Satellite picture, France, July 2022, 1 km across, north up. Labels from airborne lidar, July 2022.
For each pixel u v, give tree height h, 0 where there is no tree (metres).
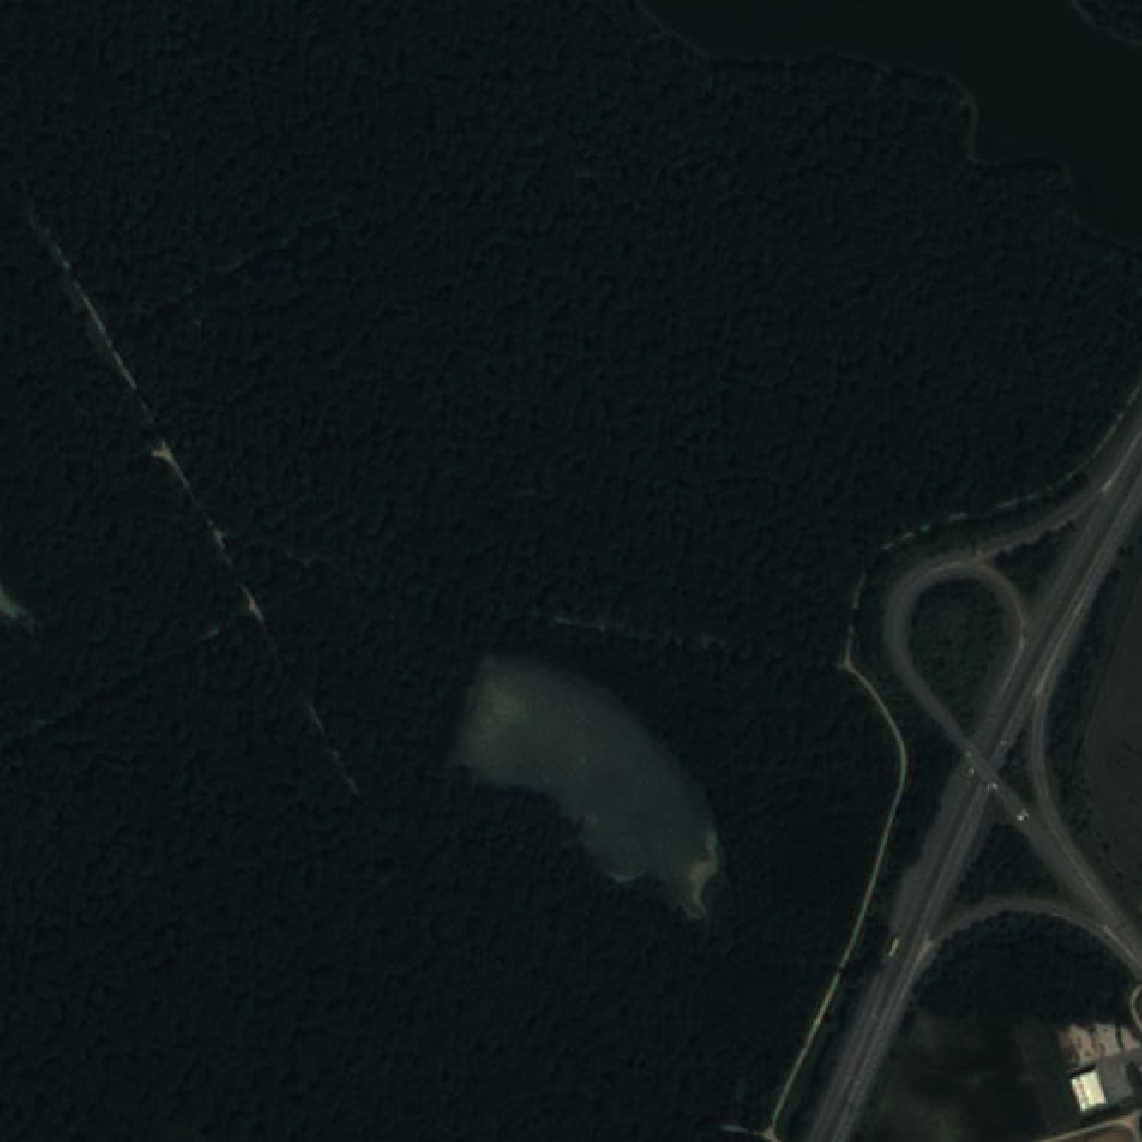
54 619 15
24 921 24
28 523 25
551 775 0
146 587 29
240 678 14
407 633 28
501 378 29
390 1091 18
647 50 26
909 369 27
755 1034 19
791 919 22
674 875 0
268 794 28
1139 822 0
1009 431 27
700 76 24
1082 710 7
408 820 24
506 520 29
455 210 29
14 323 23
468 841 20
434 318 27
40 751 27
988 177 21
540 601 25
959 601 10
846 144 29
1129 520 0
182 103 29
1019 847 10
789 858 26
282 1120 22
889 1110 0
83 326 9
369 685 31
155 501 29
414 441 24
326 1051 19
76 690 24
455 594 27
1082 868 0
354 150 28
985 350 25
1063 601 0
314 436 20
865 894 10
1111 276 23
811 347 29
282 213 26
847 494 27
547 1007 25
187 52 27
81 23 26
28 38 27
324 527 28
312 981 13
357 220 28
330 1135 26
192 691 27
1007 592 0
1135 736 0
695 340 21
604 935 19
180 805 28
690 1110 17
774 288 28
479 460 27
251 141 23
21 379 28
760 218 27
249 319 29
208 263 12
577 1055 18
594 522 29
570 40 30
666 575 24
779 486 29
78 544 24
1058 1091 0
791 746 22
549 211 26
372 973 26
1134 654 0
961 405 25
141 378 27
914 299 26
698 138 22
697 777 12
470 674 16
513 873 20
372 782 26
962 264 27
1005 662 0
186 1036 23
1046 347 26
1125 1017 17
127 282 20
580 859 19
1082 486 14
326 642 27
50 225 23
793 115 31
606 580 26
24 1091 31
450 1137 17
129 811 30
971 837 0
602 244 27
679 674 24
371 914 21
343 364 28
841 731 23
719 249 29
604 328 29
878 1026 0
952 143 27
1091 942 9
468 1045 17
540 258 31
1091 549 0
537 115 19
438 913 22
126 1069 33
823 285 26
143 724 27
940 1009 13
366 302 24
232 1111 23
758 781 24
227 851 28
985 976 20
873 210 25
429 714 29
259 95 24
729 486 28
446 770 27
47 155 23
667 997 19
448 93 24
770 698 23
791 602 27
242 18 27
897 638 0
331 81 27
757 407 31
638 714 5
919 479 18
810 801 24
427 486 32
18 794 24
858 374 28
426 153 27
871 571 14
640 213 29
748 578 28
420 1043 14
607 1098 19
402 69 27
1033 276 25
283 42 23
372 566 27
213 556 21
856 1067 0
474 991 18
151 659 16
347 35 27
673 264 31
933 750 14
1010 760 8
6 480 26
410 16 31
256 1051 21
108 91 24
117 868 26
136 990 29
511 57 30
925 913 0
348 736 22
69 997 28
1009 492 12
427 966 22
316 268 22
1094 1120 7
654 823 0
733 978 22
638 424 26
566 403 27
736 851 17
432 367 27
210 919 25
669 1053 23
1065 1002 19
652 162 28
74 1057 29
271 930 28
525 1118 15
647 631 21
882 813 12
